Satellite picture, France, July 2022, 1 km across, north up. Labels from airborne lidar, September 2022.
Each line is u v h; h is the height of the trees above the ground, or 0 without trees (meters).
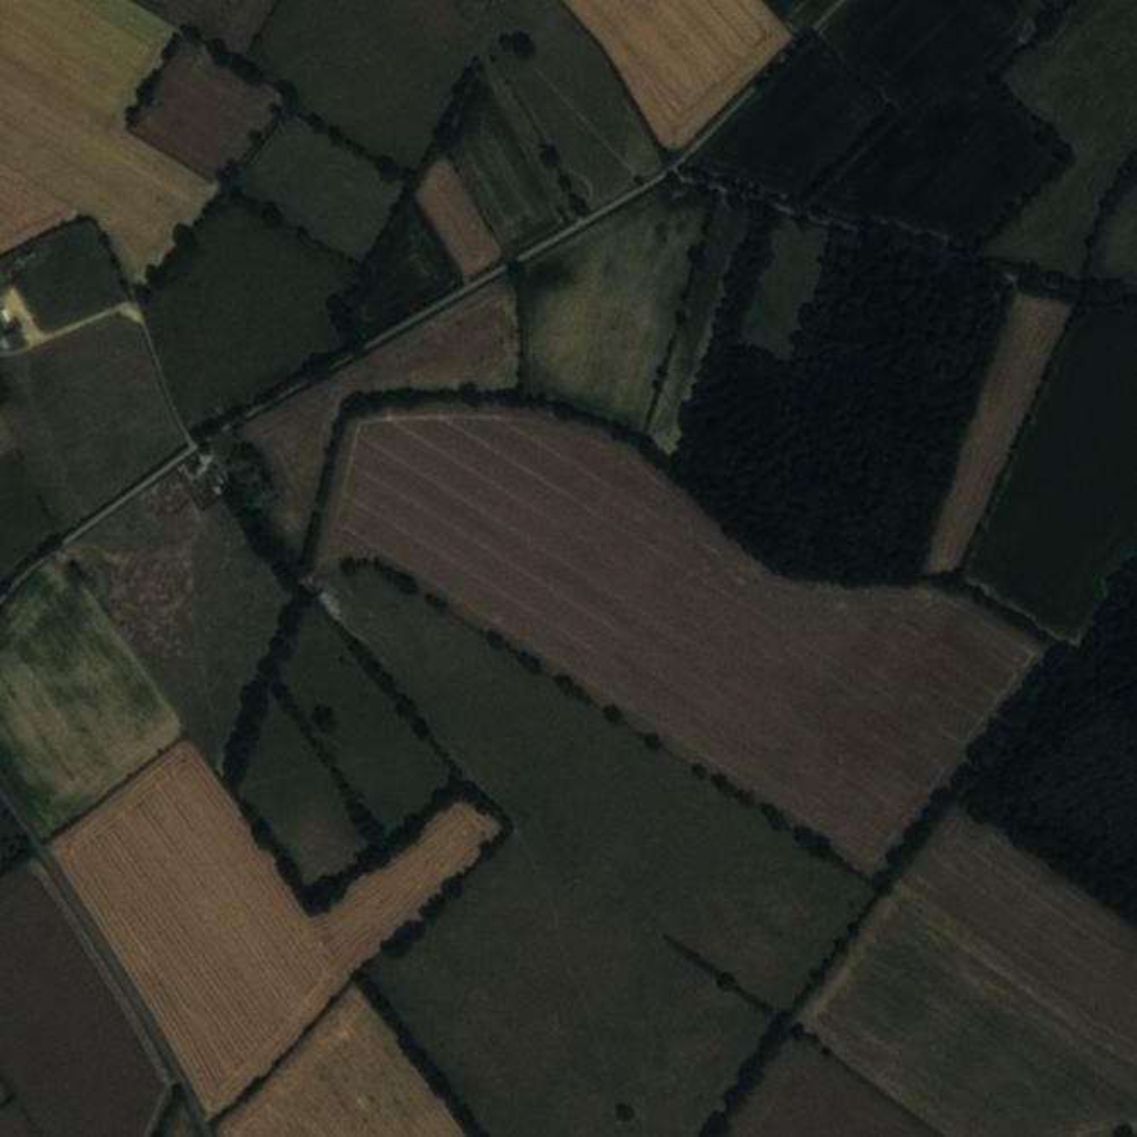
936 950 0
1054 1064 0
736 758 0
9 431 0
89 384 0
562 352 0
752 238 11
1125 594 14
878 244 20
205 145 0
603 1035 0
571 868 0
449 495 0
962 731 0
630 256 0
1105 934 0
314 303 0
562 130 0
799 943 0
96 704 0
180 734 0
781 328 0
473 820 0
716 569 0
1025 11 0
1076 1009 0
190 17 0
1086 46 0
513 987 0
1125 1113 0
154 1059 0
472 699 0
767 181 0
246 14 0
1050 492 0
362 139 0
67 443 0
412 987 0
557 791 0
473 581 0
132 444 0
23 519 0
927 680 0
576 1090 0
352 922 0
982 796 20
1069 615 0
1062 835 18
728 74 0
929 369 21
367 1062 0
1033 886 0
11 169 0
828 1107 0
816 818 0
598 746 0
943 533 0
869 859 0
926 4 0
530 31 0
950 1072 0
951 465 16
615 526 0
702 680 0
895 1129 0
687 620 0
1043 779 19
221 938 0
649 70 0
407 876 0
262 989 0
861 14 0
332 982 0
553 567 0
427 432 0
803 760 0
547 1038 0
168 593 0
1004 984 0
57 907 0
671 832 0
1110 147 0
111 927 0
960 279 19
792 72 0
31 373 0
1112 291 18
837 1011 0
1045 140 21
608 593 0
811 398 24
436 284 0
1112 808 19
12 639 0
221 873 0
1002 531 0
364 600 0
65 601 0
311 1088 0
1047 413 0
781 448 15
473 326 0
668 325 0
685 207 0
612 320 0
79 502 0
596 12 0
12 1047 0
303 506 0
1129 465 0
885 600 0
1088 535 0
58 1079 0
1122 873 20
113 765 0
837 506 21
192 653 0
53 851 0
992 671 0
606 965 0
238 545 0
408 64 0
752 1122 0
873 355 21
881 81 0
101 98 0
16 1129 0
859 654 0
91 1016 0
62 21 0
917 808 0
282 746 0
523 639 0
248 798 0
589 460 0
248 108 0
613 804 0
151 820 0
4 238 0
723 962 0
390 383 0
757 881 0
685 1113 0
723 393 13
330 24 0
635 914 0
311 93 0
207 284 0
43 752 0
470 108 0
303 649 0
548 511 0
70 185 0
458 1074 0
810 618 0
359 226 0
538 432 0
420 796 0
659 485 0
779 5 0
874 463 18
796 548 20
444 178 0
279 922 0
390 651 0
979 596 15
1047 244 0
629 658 0
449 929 0
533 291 0
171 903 0
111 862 0
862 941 0
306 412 0
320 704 0
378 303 0
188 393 0
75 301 0
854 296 14
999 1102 0
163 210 0
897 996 0
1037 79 0
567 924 0
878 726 0
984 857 0
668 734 0
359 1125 0
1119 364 0
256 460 7
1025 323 0
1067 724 19
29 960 0
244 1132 0
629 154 0
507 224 0
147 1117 0
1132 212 0
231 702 0
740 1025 0
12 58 0
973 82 0
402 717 13
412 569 0
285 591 8
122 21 0
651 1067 0
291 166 0
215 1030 0
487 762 0
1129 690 26
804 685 0
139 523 0
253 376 0
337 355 8
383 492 0
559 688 10
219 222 0
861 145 10
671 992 0
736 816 0
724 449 19
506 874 0
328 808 0
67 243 0
